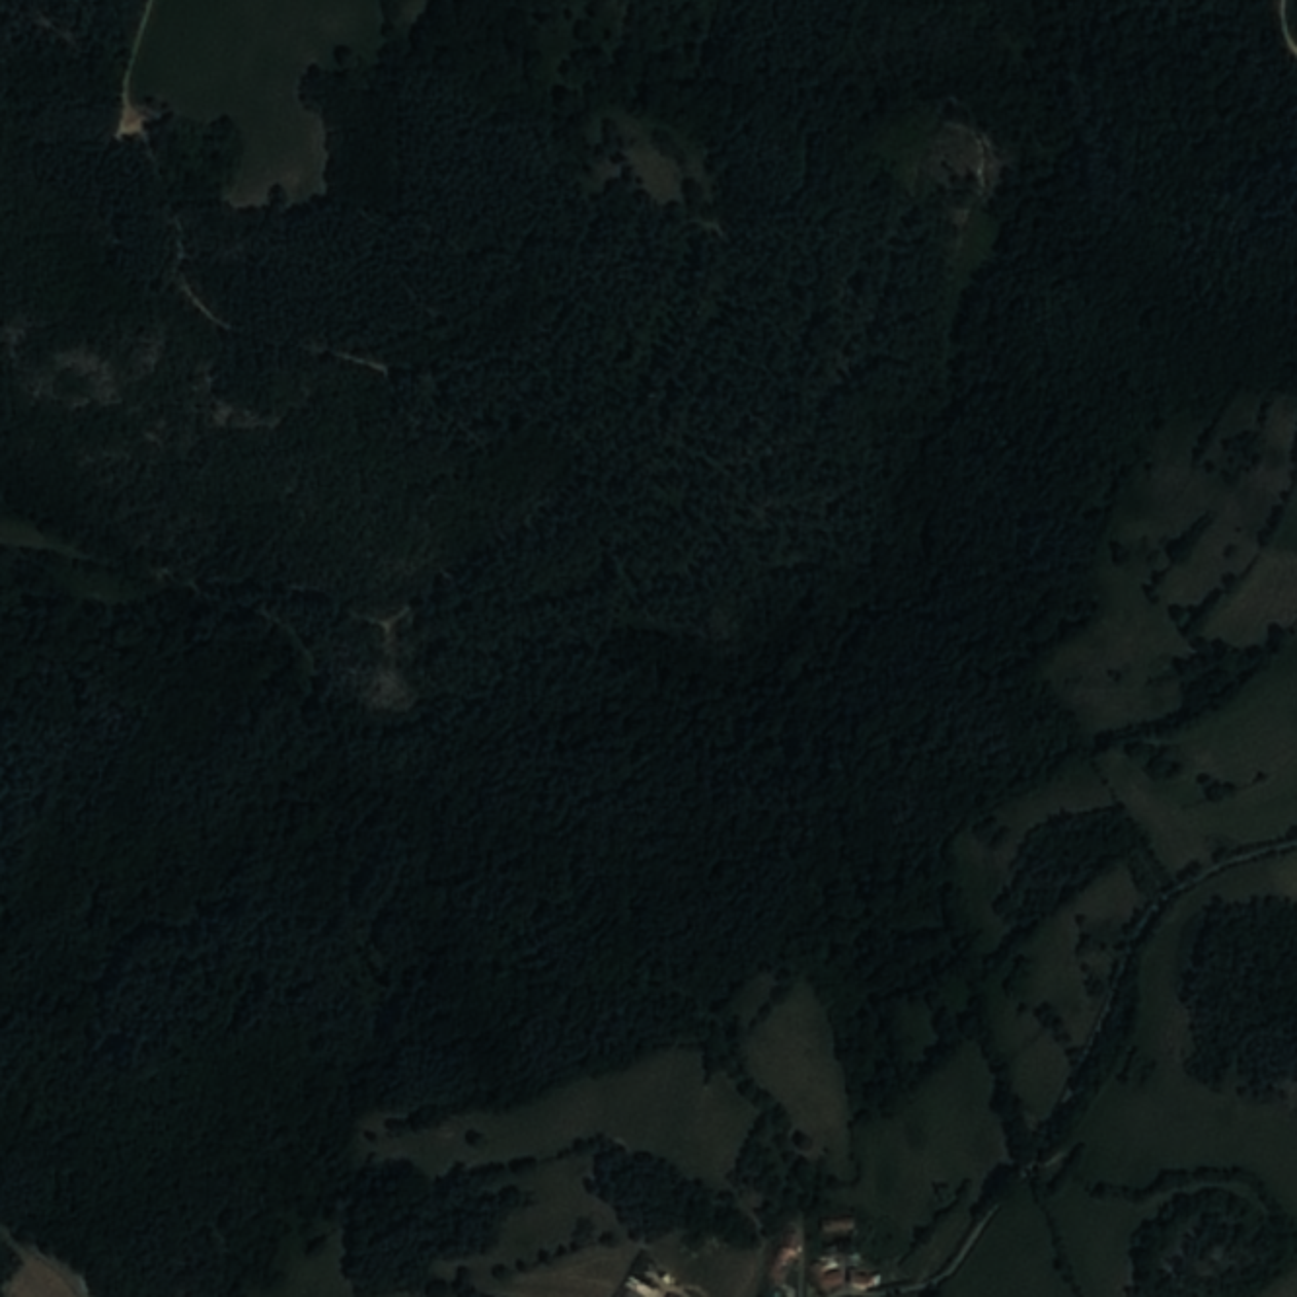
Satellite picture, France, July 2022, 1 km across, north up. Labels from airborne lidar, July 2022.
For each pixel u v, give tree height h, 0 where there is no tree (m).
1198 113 20
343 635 14
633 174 13
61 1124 19
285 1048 20
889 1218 0
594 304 26
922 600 16
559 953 19
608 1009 13
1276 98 17
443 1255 19
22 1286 0
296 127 0
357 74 10
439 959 27
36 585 25
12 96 13
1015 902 10
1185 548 13
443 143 25
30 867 15
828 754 31
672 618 26
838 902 25
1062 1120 15
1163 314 21
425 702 14
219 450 14
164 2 0
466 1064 27
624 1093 0
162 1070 19
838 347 32
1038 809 0
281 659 13
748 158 21
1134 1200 7
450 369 14
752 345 34
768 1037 0
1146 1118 0
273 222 17
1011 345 21
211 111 0
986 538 18
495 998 21
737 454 24
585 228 10
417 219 28
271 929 33
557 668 23
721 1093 0
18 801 34
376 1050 30
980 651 22
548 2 14
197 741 22
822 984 11
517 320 15
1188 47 14
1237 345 14
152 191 12
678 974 19
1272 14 11
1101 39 22
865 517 28
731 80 24
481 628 30
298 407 7
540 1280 0
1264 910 8
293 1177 19
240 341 20
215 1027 19
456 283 21
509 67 19
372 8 0
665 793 19
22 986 19
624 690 22
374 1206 20
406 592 11
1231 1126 0
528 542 24
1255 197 19
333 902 26
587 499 27
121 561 15
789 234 28
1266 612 0
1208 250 10
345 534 7
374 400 7
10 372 9
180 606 14
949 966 13
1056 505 17
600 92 11
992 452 19
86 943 17
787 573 19
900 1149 0
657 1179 15
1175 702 0
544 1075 15
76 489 11
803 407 30
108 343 7
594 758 22
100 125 19
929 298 30
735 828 14
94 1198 19
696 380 34
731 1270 0
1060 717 10
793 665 29
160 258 26
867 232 21
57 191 16
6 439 13
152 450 11
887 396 28
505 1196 10
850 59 20
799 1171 14
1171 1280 12
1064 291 7
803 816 24
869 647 22
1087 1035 0
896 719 16
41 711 30
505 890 24
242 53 0
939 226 19
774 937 17
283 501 10
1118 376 12
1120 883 0
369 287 20
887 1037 10
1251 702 0
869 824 27
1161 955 0
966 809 10
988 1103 0
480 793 19
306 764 17
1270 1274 10
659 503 30
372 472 9
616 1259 0
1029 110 18
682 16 13
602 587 29
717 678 12
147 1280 13
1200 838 0
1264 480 0
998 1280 0
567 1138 0
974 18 10
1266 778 7
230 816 24
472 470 16
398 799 24
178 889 21
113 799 28
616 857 15
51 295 14
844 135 16
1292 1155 0
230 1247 10
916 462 24
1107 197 24
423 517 14
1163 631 0
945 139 0
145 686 27
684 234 27
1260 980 10
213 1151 19
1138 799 0
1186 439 0
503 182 27
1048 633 17
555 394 28
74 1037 24
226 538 9
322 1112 24
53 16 28
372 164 17
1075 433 13
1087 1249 0
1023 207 29
